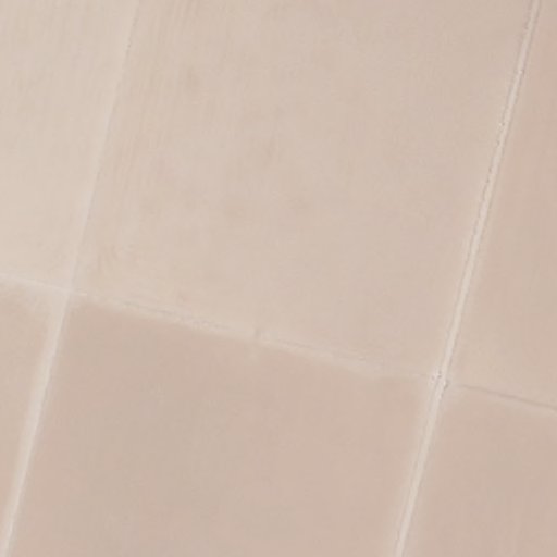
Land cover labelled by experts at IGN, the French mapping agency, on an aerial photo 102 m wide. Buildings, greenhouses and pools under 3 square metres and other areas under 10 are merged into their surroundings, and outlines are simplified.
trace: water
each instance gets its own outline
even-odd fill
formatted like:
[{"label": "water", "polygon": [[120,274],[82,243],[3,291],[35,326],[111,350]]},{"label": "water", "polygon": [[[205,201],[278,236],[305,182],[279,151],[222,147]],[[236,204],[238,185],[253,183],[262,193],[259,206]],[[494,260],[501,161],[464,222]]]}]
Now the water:
[{"label": "water", "polygon": [[557,0],[0,0],[0,557],[557,557]]}]

